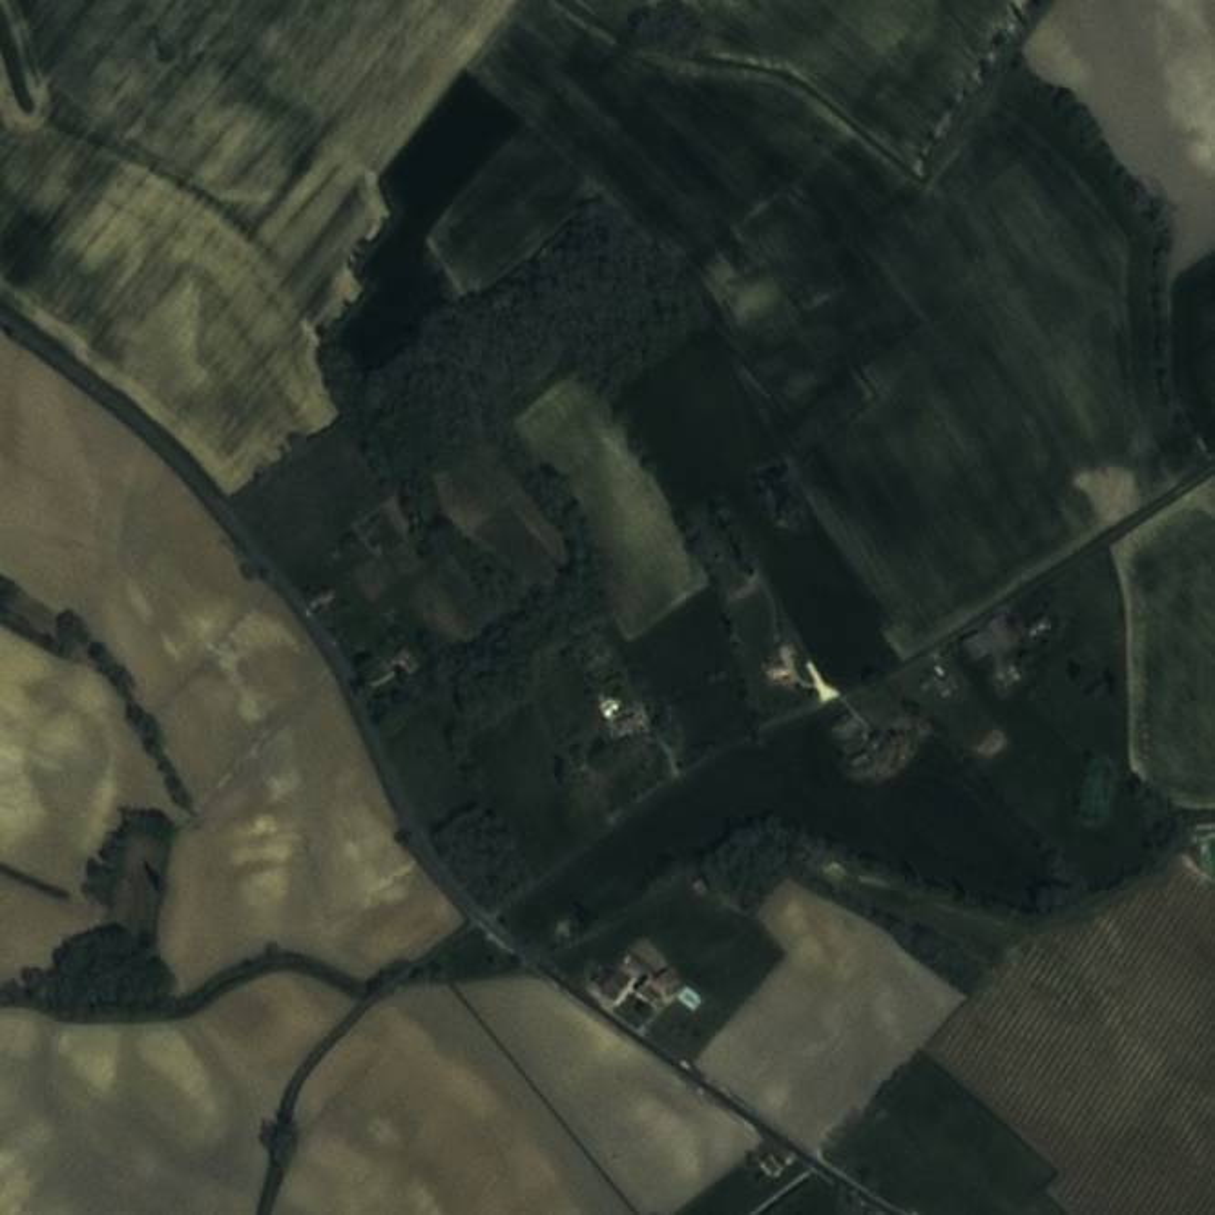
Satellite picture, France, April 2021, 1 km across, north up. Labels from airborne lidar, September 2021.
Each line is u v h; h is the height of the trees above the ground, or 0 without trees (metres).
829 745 0
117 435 0
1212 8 0
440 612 0
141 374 0
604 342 20
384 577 0
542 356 19
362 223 0
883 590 0
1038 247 0
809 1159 0
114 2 0
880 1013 0
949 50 0
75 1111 0
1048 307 0
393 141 0
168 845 0
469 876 21
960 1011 0
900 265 0
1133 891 0
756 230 0
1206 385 0
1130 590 0
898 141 0
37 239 0
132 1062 0
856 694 0
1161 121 0
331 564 0
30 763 0
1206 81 0
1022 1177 0
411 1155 0
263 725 0
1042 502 0
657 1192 0
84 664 0
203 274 0
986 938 0
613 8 0
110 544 0
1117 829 0
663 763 19
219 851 0
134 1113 0
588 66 0
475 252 0
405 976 0
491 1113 0
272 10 0
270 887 0
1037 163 0
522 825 0
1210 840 0
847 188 0
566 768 16
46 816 0
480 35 0
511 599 14
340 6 0
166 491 0
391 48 0
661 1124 0
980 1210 0
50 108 0
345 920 0
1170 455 0
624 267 15
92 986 20
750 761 0
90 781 0
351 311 11
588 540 19
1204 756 0
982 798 0
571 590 21
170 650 0
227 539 0
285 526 0
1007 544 0
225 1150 0
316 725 0
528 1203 0
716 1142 0
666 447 0
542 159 0
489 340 21
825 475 0
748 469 0
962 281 0
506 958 0
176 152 0
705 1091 0
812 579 0
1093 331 0
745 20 0
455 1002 0
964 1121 0
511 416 9
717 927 0
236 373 0
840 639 0
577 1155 0
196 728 0
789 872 20
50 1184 0
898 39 0
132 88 0
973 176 0
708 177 0
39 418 0
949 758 0
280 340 0
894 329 0
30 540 0
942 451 0
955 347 0
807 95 0
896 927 16
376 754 0
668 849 0
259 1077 0
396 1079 0
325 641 0
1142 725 0
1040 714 0
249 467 0
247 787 0
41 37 0
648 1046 0
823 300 0
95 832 0
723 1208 0
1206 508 0
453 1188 0
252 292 0
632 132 0
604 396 10
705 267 0
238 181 0
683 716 0
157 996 18
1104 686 9
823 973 0
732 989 0
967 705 0
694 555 15
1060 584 0
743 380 0
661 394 0
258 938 0
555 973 0
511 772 0
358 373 14
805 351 0
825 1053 0
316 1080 0
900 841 0
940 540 0
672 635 0
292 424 0
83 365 0
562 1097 0
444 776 0
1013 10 0
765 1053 0
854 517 0
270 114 0
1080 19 0
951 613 0
